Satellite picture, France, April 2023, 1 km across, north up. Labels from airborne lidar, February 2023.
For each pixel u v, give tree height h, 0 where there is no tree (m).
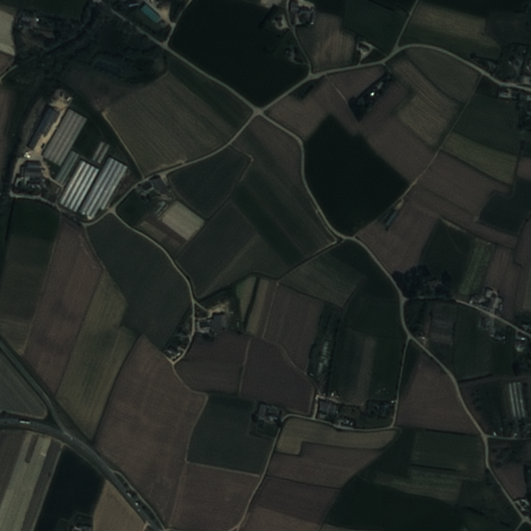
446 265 0
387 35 0
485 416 0
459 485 0
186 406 0
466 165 0
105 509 0
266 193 0
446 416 0
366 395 0
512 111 0
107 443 0
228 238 0
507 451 6
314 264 0
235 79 0
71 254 0
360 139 0
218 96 0
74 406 0
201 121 0
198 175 0
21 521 0
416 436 0
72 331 0
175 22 6
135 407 0
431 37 0
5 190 7
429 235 0
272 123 0
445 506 0
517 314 0
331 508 0
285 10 0
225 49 0
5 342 0
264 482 0
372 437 0
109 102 0
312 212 0
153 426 0
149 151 0
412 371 0
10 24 0
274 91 0
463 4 0
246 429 0
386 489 0
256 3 0
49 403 0
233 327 0
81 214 0
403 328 0
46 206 9
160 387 0
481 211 0
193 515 0
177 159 0
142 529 0
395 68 0
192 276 0
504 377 0
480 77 0
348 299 0
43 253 0
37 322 0
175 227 0
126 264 0
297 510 0
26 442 0
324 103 0
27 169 0
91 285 0
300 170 0
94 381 0
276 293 0
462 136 0
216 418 0
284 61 0
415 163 0
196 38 0
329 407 0
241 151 0
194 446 0
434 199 0
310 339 0
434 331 0
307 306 0
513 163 0
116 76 6
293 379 0
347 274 0
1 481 0
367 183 0
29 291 0
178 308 0
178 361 0
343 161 0
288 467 0
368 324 0
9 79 0
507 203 0
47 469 0
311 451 0
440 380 0
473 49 0
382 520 0
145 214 0
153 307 0
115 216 0
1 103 0
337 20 0
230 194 0
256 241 0
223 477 0
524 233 0
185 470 0
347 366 0
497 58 0
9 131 0
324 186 0
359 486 0
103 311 0
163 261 0
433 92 0
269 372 0
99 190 0
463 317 0
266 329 0
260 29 7
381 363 0
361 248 0
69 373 0
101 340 0
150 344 0
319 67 0
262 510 0
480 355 0
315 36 0
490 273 0
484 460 0
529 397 6
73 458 0
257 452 0
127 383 0
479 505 0
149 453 0
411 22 0
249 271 0
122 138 0
